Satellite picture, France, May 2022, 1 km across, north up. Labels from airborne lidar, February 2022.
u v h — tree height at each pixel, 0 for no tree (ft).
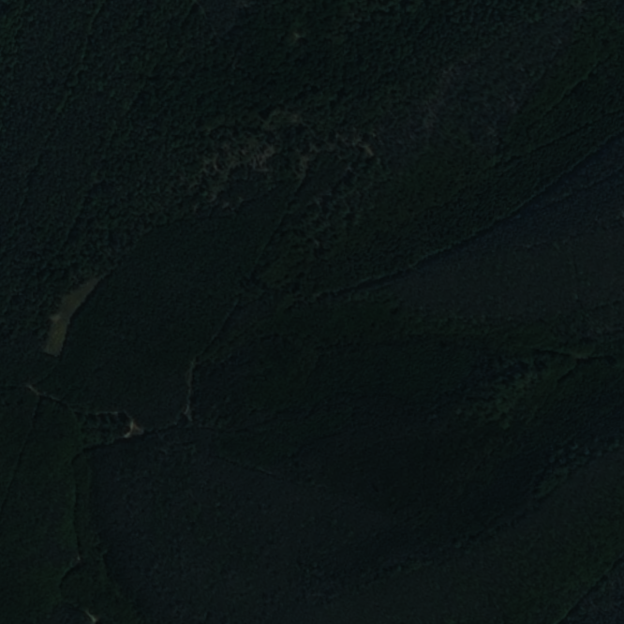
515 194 53
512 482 39
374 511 44
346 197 71
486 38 53
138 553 51
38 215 78
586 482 76
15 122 88
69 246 88
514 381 65
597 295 75
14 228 70
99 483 54
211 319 42
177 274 33
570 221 58
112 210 78
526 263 57
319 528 45
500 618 72
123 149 83
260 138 81
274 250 50
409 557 33
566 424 41
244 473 41
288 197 44
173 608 52
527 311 84
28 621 54
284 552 50
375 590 67
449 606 70
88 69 83
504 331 80
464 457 47
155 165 78
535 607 68
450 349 36
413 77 80
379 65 73
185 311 38
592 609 81
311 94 100
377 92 73
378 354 33
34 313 28
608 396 43
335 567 46
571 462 77
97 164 82
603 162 85
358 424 45
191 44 80
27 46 94
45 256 91
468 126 66
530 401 34
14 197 82
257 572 47
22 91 87
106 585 56
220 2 72
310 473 44
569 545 88
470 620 78
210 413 28
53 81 92
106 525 58
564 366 66
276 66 96
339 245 71
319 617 56
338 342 42
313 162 91
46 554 62
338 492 24
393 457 32
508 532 67
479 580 82
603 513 81
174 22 76
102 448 58
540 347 58
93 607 63
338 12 101
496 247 51
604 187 74
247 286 114
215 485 37
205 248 48
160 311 34
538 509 70
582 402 36
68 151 77
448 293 72
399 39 75
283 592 57
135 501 79
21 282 70
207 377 37
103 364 42
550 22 63
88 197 80
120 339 37
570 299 81
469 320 59
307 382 33
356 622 61
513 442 39
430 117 87
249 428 30
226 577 35
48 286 77
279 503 51
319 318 39
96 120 68
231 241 46
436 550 38
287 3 78
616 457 73
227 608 48
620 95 78
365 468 32
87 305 33
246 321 44
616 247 57
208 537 35
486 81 91
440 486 42
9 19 103
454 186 75
